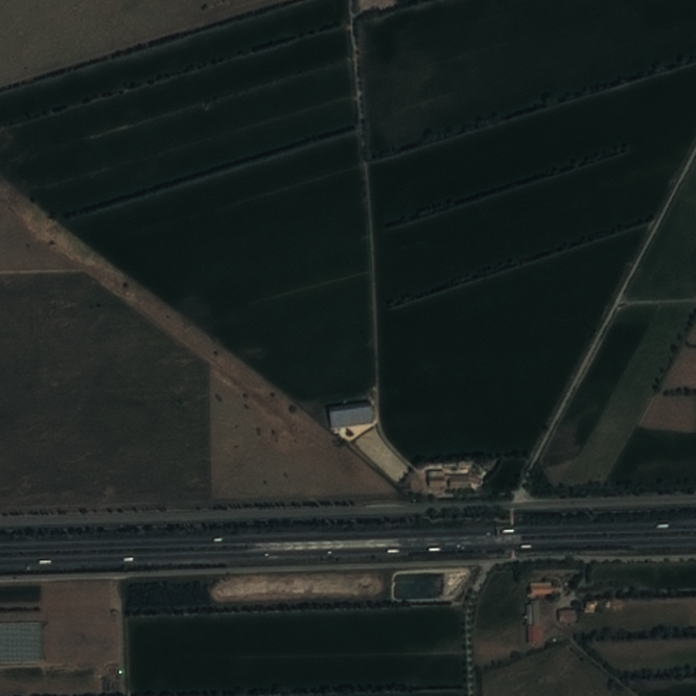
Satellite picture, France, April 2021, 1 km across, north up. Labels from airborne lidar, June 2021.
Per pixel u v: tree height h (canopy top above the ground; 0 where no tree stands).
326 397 0
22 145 0
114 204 11
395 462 0
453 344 0
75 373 0
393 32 0
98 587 0
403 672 0
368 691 11
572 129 0
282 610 14
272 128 0
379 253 0
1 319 0
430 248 0
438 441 0
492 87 0
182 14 0
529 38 0
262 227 0
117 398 0
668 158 0
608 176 0
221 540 0
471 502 8
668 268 0
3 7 0
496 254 0
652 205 0
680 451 0
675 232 0
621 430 0
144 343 0
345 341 0
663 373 11
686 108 0
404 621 0
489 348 0
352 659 0
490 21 0
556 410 0
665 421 0
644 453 0
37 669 0
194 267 0
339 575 0
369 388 0
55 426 0
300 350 0
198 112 0
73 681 0
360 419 0
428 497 8
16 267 0
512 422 0
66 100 0
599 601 8
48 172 0
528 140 0
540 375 0
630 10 0
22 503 0
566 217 0
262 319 0
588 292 0
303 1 7
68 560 0
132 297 0
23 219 0
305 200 0
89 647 0
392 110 0
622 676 11
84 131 0
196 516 0
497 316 0
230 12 0
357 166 0
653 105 0
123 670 0
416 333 0
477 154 0
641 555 0
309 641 0
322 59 0
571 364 0
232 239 0
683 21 0
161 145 0
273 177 0
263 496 0
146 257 0
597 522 8
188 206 0
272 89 0
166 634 0
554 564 12
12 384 0
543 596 0
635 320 0
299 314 0
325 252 0
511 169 0
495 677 0
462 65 0
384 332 0
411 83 0
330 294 0
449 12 0
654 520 6
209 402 0
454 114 0
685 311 0
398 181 0
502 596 0
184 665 0
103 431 0
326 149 0
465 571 0
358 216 0
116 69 0
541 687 0
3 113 0
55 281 0
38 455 0
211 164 0
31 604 0
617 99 0
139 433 0
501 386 0
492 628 0
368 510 0
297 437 0
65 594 0
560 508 0
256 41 0
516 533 0
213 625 0
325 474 0
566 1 0
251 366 0
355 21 9
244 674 0
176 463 0
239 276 0
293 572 0
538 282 0
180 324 0
